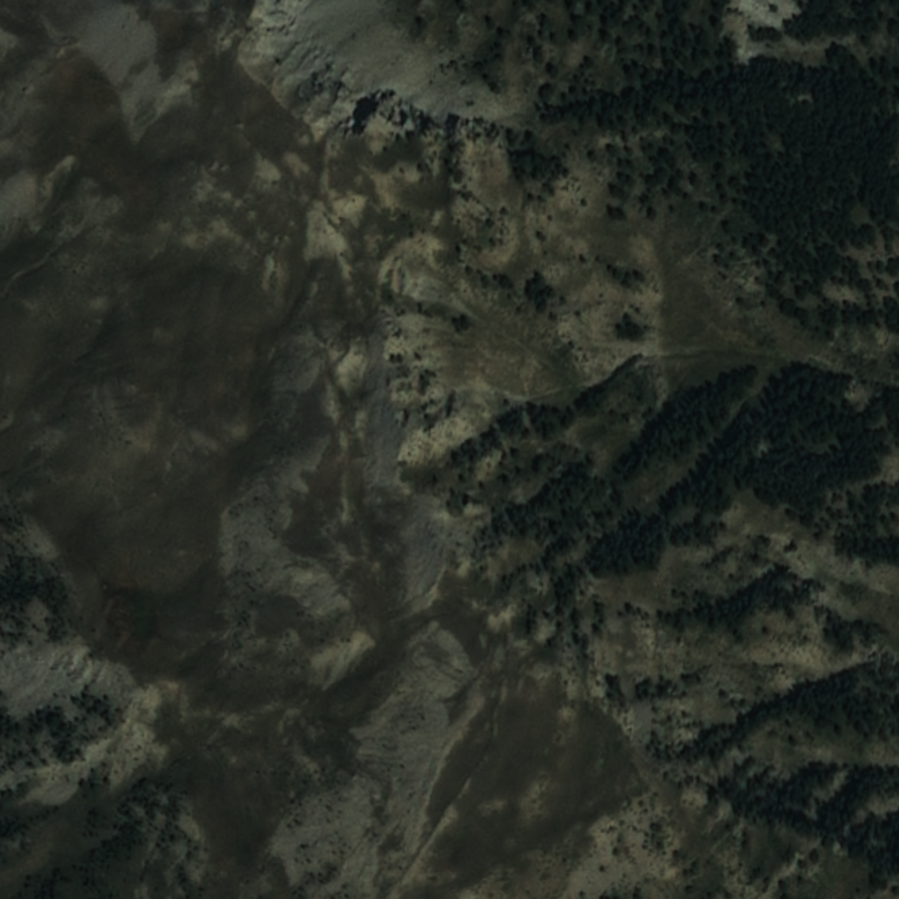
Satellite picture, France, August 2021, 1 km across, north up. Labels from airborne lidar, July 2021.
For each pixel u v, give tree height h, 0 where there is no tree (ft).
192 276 0
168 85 0
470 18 0
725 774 0
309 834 0
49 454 0
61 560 0
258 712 0
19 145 0
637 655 0
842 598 0
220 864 0
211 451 0
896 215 54
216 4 0
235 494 0
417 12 0
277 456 0
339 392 0
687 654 0
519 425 44
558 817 0
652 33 70
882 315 34
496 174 0
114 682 0
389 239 0
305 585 0
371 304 0
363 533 0
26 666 0
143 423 0
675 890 0
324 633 0
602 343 0
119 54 0
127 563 0
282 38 0
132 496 0
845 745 0
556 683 0
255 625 0
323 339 0
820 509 48
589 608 0
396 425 0
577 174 0
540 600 0
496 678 0
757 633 0
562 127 0
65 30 0
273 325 0
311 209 0
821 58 0
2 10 0
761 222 75
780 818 25
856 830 42
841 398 49
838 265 61
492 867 0
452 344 0
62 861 0
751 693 0
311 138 0
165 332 0
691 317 0
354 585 0
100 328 0
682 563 0
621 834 0
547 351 0
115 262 0
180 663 0
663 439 63
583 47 0
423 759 0
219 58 0
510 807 0
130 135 0
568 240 0
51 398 0
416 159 0
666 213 0
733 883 0
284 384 0
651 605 0
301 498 0
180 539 0
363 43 0
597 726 0
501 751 0
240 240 0
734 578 50
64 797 0
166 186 0
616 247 0
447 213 0
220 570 0
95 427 0
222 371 0
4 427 0
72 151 0
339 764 0
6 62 0
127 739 0
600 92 32
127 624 0
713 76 53
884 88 34
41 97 0
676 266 0
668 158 65
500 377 0
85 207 0
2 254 0
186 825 0
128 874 0
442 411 0
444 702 0
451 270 0
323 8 0
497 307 0
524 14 0
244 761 0
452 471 0
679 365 0
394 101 0
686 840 0
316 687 0
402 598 0
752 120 68
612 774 0
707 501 59
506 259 0
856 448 65
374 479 0
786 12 0
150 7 0
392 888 0
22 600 19
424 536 0
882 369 0
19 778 0
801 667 0
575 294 0
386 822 0
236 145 0
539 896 0
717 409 52
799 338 0
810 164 71
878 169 54
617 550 44
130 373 0
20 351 0
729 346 0
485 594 0
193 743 0
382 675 0
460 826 0
